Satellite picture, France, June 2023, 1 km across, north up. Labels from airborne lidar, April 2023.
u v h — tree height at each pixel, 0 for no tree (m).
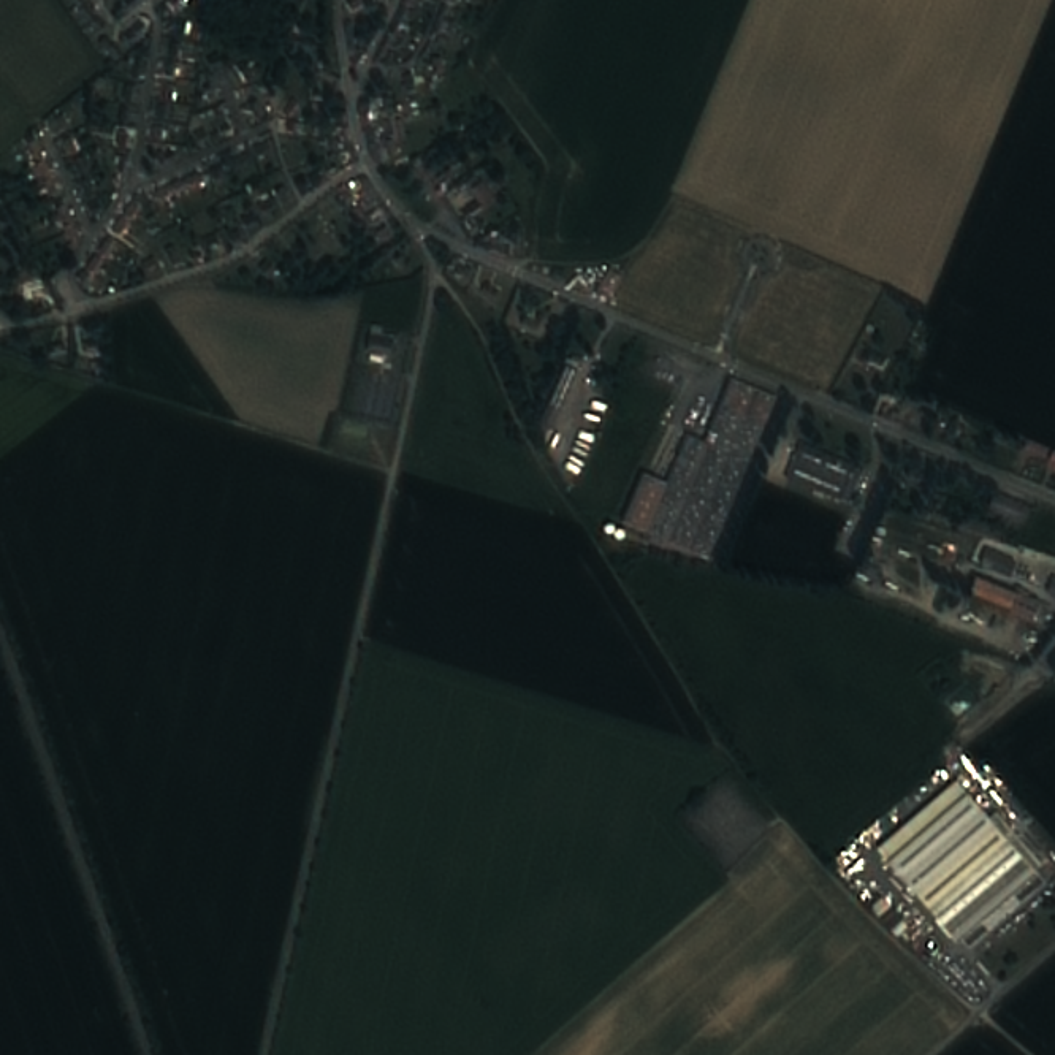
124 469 0
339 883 0
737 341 0
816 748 0
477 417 0
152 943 0
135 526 0
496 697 0
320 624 0
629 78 0
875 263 0
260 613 0
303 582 0
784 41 0
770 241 0
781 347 0
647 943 0
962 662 0
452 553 0
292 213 0
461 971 0
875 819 0
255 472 0
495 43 0
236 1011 0
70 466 0
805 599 0
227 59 9
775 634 0
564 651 0
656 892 0
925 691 0
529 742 0
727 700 0
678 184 0
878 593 0
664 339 0
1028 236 0
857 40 0
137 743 0
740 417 0
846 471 0
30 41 0
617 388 5
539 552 0
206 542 0
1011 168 0
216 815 0
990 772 0
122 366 0
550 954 0
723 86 0
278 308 0
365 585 0
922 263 0
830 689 0
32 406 0
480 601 0
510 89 0
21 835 0
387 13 12
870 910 7
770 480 0
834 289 0
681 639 0
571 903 0
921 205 0
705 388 0
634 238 0
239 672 0
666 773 0
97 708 0
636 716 0
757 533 0
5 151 0
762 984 0
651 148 0
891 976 0
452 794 0
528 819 0
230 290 0
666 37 0
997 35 0
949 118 0
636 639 0
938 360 0
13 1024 0
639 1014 0
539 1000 0
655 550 8
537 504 0
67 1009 0
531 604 0
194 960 0
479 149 6
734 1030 0
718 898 0
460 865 0
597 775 0
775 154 0
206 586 0
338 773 0
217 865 0
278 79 13
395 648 0
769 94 0
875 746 0
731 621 0
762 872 0
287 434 0
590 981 0
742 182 0
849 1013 0
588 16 0
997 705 0
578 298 0
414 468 0
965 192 0
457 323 0
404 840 0
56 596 0
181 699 0
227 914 0
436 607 0
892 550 0
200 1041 0
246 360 0
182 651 0
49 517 0
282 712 0
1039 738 0
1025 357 0
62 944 0
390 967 0
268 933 0
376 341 0
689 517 0
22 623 0
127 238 0
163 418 0
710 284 0
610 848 0
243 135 0
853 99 0
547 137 0
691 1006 0
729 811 0
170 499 0
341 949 0
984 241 0
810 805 0
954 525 8
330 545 0
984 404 0
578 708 0
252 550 0
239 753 0
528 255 0
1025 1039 0
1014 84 0
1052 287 0
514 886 0
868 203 0
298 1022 0
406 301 0
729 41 0
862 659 0
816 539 0
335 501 0
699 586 0
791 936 0
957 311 0
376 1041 0
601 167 0
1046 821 0
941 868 0
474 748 0
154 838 0
